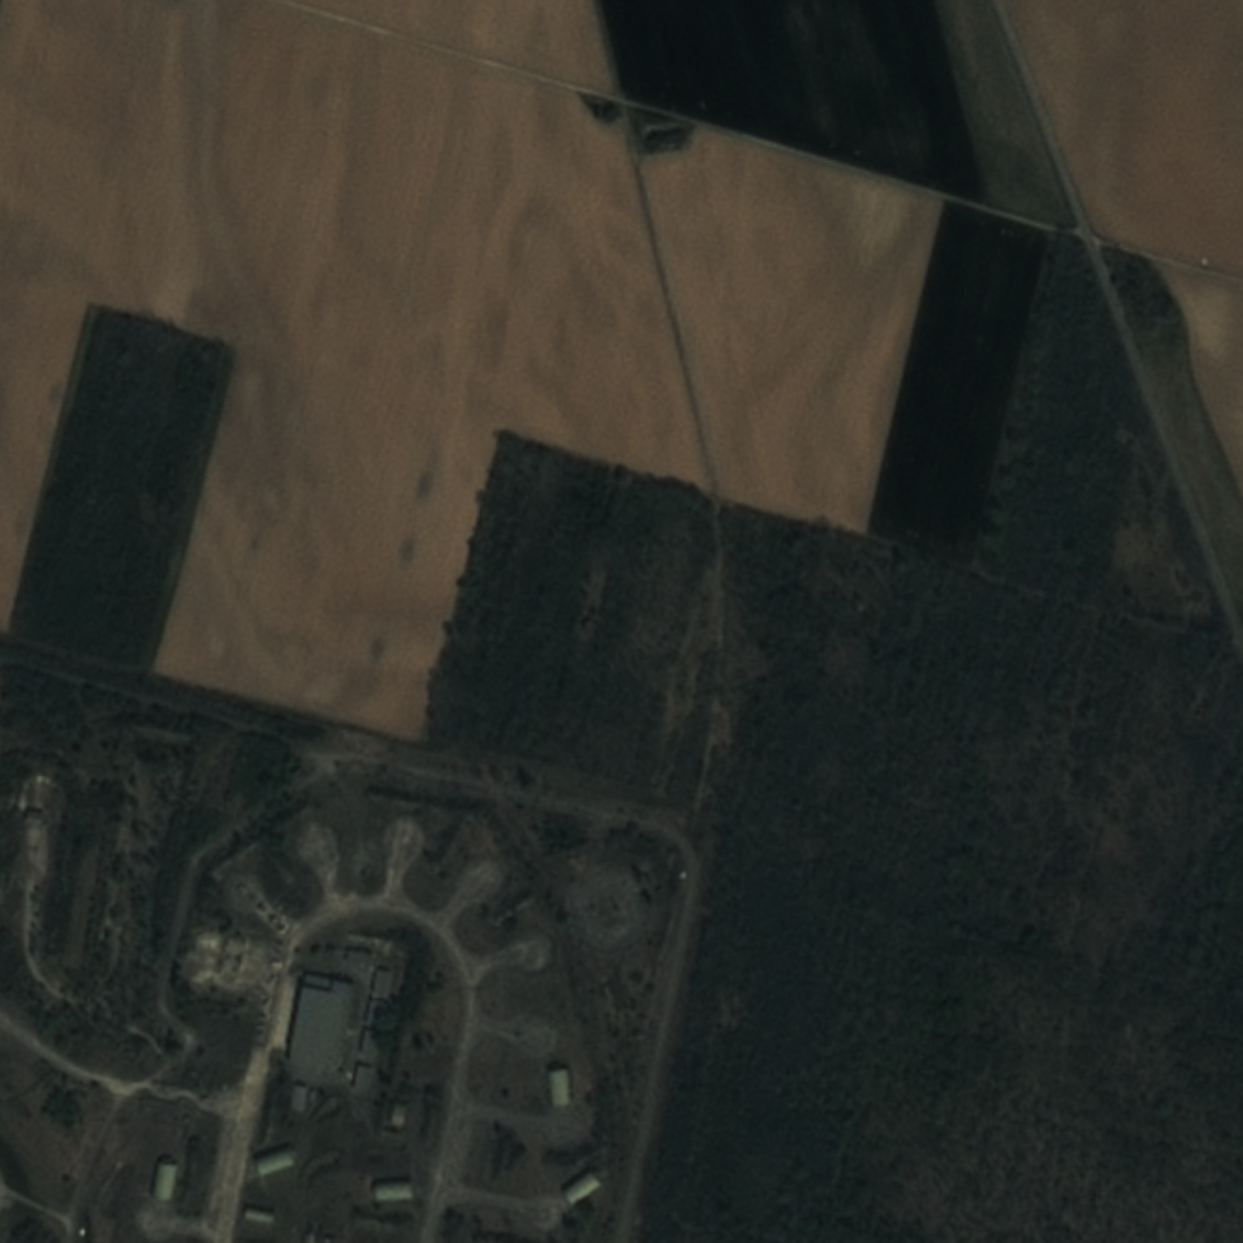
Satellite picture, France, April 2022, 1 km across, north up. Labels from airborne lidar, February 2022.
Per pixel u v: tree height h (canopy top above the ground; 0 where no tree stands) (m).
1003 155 0
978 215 0
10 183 0
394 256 0
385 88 0
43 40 0
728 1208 14
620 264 0
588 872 0
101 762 0
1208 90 0
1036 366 11
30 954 0
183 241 0
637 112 0
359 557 0
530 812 0
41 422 0
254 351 0
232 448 0
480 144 0
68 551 10
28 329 0
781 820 12
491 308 0
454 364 0
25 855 0
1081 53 0
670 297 0
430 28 0
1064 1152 15
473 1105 0
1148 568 0
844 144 0
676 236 0
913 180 0
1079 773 8
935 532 0
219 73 0
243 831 0
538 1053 0
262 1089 0
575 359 0
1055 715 9
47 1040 0
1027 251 0
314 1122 0
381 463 0
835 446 0
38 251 0
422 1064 0
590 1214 16
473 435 0
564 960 0
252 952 0
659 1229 10
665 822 0
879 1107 10
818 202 0
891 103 0
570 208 0
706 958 10
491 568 14
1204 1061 14
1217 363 0
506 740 13
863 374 0
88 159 0
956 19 0
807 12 0
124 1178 0
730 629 8
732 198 0
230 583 0
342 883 0
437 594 0
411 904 0
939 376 0
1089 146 0
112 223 0
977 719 11
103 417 11
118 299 0
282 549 0
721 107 0
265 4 0
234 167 0
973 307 0
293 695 0
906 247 0
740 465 0
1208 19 0
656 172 0
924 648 9
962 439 0
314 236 0
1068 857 10
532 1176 0
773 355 0
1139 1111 8
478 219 0
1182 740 0
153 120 0
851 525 0
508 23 0
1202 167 0
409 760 0
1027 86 0
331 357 0
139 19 0
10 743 0
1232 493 0
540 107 0
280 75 0
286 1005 0
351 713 0
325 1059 0
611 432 0
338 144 0
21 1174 0
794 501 0
